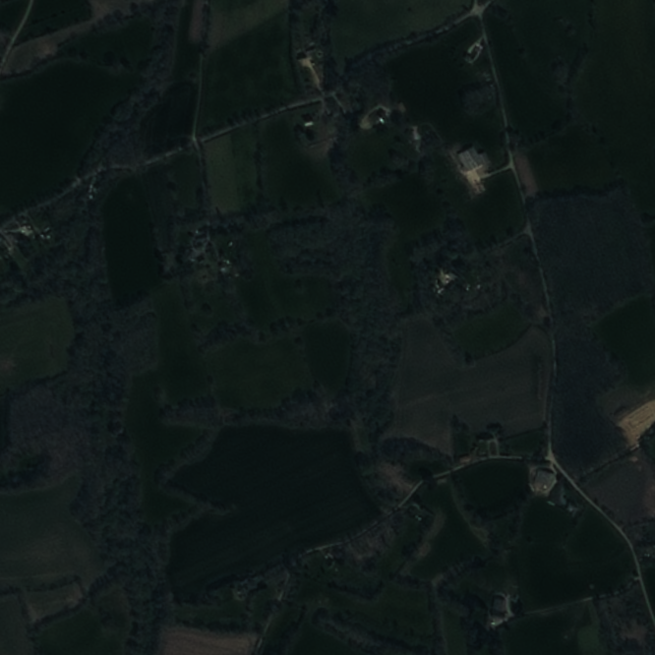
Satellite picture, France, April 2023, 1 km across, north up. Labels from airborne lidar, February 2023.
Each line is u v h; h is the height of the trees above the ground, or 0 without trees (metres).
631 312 0
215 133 9
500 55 0
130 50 0
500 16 14
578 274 18
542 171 0
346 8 0
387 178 16
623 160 0
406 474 22
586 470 19
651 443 8
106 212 0
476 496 0
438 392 0
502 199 0
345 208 16
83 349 27
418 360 0
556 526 0
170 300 0
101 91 0
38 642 8
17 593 8
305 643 0
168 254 8
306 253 11
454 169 11
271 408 0
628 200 12
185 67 0
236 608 0
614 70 0
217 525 0
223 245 0
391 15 0
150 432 0
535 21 0
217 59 0
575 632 0
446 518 0
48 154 0
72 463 19
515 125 0
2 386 0
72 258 0
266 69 0
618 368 18
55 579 0
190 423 15
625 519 0
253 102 0
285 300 0
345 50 0
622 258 18
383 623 0
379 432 16
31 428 20
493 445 0
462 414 0
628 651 18
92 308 11
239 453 0
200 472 0
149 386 0
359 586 0
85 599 9
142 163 18
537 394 0
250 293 0
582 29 0
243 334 17
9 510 0
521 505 9
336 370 0
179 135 0
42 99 0
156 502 0
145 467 0
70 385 8
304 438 0
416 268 14
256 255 0
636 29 0
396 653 14
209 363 0
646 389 0
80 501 19
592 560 0
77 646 0
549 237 18
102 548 9
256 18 0
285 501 0
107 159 18
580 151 0
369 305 8
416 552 12
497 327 0
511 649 0
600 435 18
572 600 0
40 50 0
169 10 12
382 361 12
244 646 0
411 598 0
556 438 18
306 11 6
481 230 0
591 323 8
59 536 0
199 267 7
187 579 0
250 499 0
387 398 15
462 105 10
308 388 0
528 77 0
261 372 0
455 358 12
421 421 0
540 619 0
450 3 0
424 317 15
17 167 0
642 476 0
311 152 0
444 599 25
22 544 0
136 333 22
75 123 0
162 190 0
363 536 18
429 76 0
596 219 17
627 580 0
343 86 16
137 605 19
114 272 0
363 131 0
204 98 0
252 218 23
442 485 0
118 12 0
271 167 0
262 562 0
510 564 0
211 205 18
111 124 17
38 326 0
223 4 0
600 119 0
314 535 0
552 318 11
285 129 0
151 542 18
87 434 21
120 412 14
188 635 0
